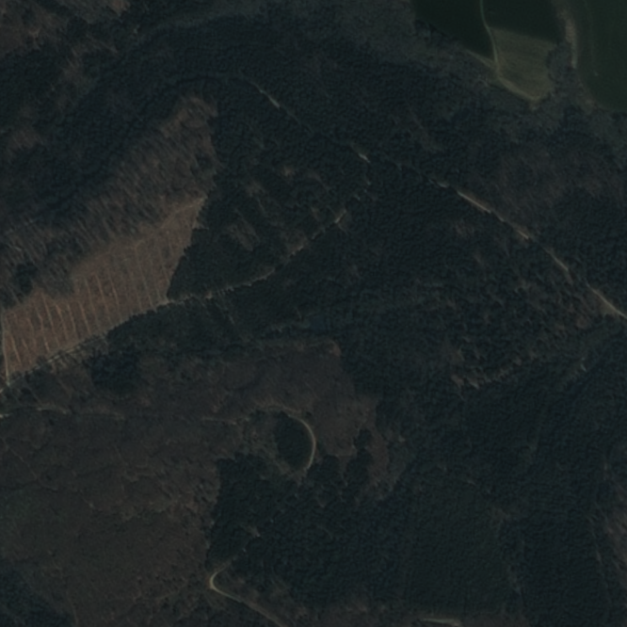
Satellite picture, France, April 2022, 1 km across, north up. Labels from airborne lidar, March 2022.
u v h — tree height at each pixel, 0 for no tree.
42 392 27
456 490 9
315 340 28
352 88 24
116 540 9
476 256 23
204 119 33
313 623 11
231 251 12
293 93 27
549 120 23
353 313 20
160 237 0
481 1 0
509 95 12
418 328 19
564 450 23
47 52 16
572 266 21
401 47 26
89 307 0
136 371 23
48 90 19
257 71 21
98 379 20
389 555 29
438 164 29
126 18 17
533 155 23
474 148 24
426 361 21
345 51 31
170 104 29
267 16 26
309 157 28
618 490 22
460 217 28
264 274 13
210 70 28
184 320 16
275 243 14
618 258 17
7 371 0
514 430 19
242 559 17
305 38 26
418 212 26
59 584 11
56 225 28
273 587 32
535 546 27
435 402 30
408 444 8
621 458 25
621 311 28
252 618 10
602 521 22
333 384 11
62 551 12
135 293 0
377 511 21
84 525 8
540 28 0
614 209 23
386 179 29
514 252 15
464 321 11
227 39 20
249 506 18
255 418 10
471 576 11
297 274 15
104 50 19
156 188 29
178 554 9
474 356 9
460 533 12
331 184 22
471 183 29
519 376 22
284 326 16
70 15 20
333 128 26
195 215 0
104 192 26
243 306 13
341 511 23
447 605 13
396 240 28
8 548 19
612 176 23
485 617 10
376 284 27
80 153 19
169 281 0
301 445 18
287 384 16
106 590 9
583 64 0
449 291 16
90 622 11
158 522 9
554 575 24
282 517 20
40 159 28
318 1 17
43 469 9
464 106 18
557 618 26
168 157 30
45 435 6
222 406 9
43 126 24
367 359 24
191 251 14
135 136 27
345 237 17
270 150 24
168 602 7
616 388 30
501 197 24
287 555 27
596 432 29
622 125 28
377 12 32
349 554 25
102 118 19
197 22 18
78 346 0
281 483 13
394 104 27
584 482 21
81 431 9
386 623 9
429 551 15
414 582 14
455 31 0
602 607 21
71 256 24
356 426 6
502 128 26
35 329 0
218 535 24
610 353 12
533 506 19
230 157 20
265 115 29
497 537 13
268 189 15
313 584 33
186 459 8
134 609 8
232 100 29
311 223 15
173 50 23
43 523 11
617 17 0
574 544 20
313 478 21
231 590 13
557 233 25
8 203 9
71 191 27
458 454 25
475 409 25
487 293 14
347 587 22
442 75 21
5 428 9
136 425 18
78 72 17
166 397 11
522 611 25
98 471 7
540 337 23
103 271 0
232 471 26
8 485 9
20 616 26
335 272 25
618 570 12
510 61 0
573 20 0
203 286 17
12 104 30
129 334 26
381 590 29
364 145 28
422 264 30
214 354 20
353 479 16
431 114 27
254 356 6
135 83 21
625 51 0
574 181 21
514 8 0
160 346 20
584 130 31
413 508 22
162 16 18
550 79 0
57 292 26
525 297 18
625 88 0
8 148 15
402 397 25
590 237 25
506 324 31
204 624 9
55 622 29
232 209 22
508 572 11
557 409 19
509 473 25
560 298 36
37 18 17
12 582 23
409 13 30
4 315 0
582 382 15
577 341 23
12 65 16
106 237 26
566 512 19
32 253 29
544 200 20
